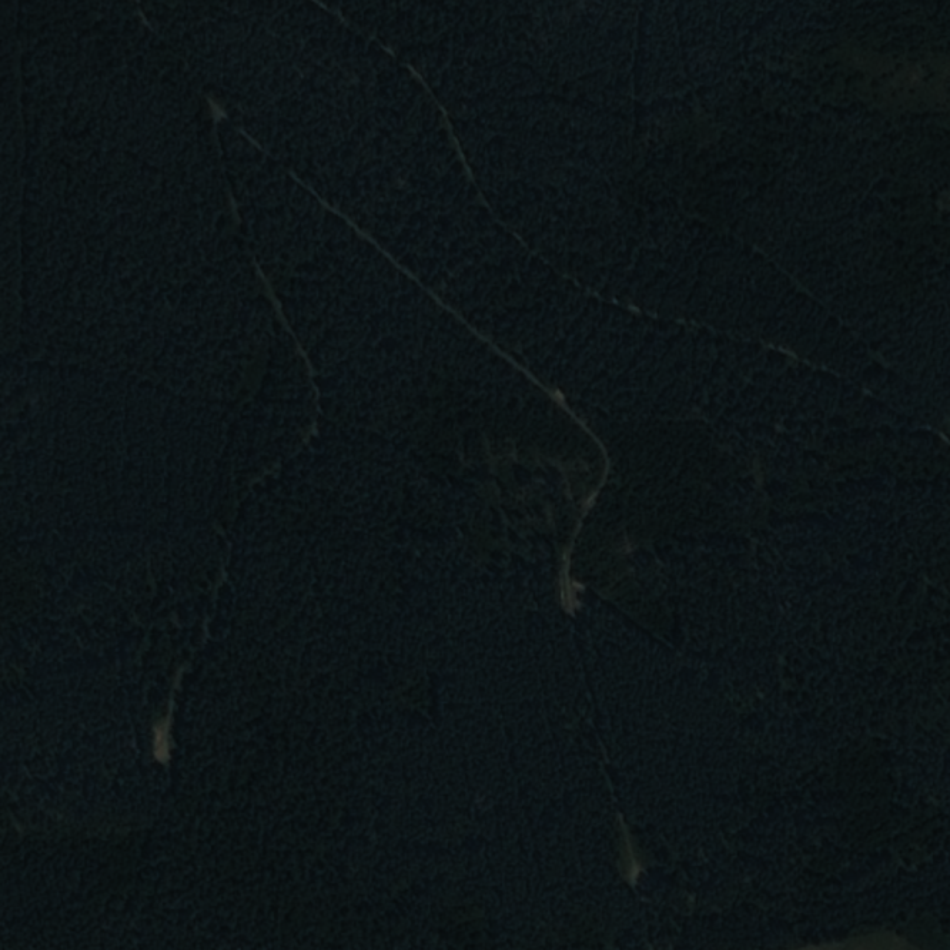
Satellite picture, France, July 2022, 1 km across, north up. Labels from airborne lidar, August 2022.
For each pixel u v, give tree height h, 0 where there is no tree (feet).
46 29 60
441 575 105
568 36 73
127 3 68
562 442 29
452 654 104
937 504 72
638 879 0
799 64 31
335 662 85
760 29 57
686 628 58
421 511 37
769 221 52
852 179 48
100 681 105
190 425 82
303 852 102
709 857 29
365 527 79
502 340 48
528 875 105
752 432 83
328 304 94
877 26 26
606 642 92
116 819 101
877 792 36
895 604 54
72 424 81
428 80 59
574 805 94
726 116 64
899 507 81
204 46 72
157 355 80
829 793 26
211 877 67
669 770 110
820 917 42
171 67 69
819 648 68
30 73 48
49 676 108
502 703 96
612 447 28
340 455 82
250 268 60
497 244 88
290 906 59
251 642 92
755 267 62
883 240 62
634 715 103
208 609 101
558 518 20
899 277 44
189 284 21
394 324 82
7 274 48
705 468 20
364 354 85
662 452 35
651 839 100
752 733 103
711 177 46
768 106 30
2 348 45
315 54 54
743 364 67
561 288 30
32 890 60
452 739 102
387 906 38
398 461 69
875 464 28
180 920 95
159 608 35
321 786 76
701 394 64
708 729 97
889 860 91
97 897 64
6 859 33
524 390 74
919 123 26
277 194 84
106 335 80
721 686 92
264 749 49
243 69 66
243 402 25
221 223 79
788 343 59
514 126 66
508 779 119
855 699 57
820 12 28
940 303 36
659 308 56
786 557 97
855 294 62
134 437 76
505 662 107
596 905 106
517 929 98
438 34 54
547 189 87
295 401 78
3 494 87
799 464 108
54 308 71
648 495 25
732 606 73
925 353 82
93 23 37
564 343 64
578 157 93
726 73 53
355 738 86
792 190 61
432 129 89
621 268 59
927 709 76
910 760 96
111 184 81
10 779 112
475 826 100
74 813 106
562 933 20
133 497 81
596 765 105
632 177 31
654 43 73
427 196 82
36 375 71
